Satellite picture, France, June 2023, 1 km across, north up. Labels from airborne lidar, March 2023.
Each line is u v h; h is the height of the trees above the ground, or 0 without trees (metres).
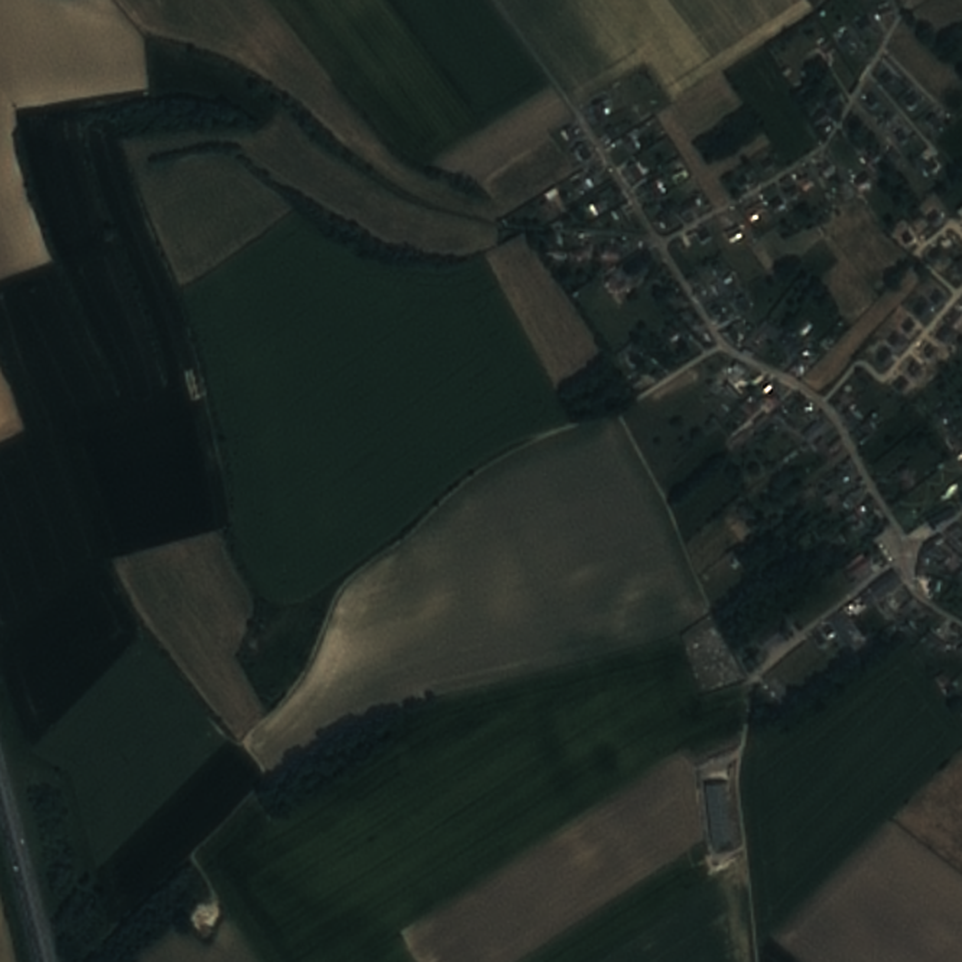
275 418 0
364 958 0
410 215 0
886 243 0
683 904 0
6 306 0
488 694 0
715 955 0
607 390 13
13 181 0
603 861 0
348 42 0
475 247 0
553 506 0
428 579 0
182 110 12
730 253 0
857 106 0
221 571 0
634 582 0
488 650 0
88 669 0
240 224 0
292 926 0
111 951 13
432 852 0
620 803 0
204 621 0
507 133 0
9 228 0
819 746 0
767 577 20
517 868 0
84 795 0
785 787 0
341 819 0
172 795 0
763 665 0
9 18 0
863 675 14
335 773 20
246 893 0
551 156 0
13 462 0
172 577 0
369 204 0
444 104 0
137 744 0
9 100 0
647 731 0
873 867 0
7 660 0
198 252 0
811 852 0
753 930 0
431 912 0
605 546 0
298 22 0
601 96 0
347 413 0
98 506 0
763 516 14
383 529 0
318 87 0
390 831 0
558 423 0
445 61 0
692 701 0
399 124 0
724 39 0
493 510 0
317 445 0
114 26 0
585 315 9
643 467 0
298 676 0
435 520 0
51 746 0
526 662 0
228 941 0
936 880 0
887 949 0
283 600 0
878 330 0
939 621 0
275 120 0
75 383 0
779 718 17
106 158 0
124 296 0
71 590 0
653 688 0
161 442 0
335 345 0
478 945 0
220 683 0
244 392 0
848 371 0
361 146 0
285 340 0
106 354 0
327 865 0
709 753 0
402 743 0
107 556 0
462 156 0
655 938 0
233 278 0
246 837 0
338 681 0
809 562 21
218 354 0
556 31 0
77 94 0
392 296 0
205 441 0
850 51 0
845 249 0
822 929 0
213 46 0
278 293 0
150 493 0
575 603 0
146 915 11
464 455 0
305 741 0
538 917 0
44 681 0
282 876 0
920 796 0
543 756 0
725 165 0
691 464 0
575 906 0
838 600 0
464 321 0
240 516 0
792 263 13
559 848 0
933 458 0
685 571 0
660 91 0
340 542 0
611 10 0
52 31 0
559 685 0
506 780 0
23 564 0
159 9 0
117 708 0
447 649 0
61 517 0
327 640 0
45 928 0
